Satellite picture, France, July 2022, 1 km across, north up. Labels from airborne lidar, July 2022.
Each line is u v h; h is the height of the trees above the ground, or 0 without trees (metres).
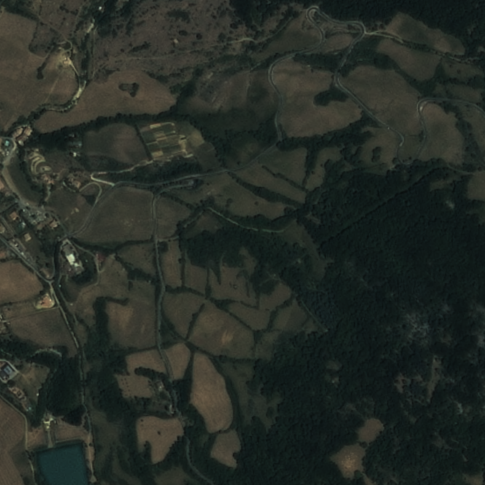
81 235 0
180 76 6
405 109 0
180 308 0
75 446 0
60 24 0
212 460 9
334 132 6
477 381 9
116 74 0
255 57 0
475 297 6
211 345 0
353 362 14
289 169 0
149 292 0
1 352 7
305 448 14
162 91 0
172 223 0
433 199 10
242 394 0
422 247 13
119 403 11
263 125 8
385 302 15
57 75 0
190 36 0
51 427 0
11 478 0
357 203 13
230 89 0
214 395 0
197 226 0
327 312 15
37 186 10
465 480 7
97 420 0
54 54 0
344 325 9
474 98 0
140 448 0
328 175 6
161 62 0
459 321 13
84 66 9
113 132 0
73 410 6
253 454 13
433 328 9
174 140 0
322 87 0
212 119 0
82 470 0
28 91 0
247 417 0
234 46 0
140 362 0
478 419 7
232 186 0
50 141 6
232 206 0
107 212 0
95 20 6
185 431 14
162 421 0
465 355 7
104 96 0
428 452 13
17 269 0
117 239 0
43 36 0
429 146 0
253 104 0
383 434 6
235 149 0
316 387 12
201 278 0
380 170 0
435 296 10
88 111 0
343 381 10
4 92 0
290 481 10
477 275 9
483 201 6
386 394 11
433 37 0
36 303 0
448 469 15
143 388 0
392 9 10
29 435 0
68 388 6
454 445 12
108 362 6
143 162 0
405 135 0
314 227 17
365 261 9
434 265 8
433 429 10
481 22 10
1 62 0
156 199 0
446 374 8
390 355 11
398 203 16
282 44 0
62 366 15
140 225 0
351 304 13
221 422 0
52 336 0
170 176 11
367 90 0
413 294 10
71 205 0
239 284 0
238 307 0
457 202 9
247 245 7
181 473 0
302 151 0
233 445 0
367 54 6
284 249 9
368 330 14
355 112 0
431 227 19
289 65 0
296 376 15
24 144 8
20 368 7
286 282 7
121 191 0
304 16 0
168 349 0
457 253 10
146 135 0
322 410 9
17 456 0
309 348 14
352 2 11
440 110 0
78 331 0
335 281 8
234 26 10
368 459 12
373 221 18
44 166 0
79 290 0
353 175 10
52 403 8
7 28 0
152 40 0
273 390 12
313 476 12
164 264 0
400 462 13
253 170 0
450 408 7
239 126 0
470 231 16
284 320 0
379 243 13
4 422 0
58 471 0
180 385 13
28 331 0
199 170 12
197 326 0
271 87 0
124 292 0
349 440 13
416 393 13
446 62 0
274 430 10
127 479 0
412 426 10
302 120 0
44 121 0
